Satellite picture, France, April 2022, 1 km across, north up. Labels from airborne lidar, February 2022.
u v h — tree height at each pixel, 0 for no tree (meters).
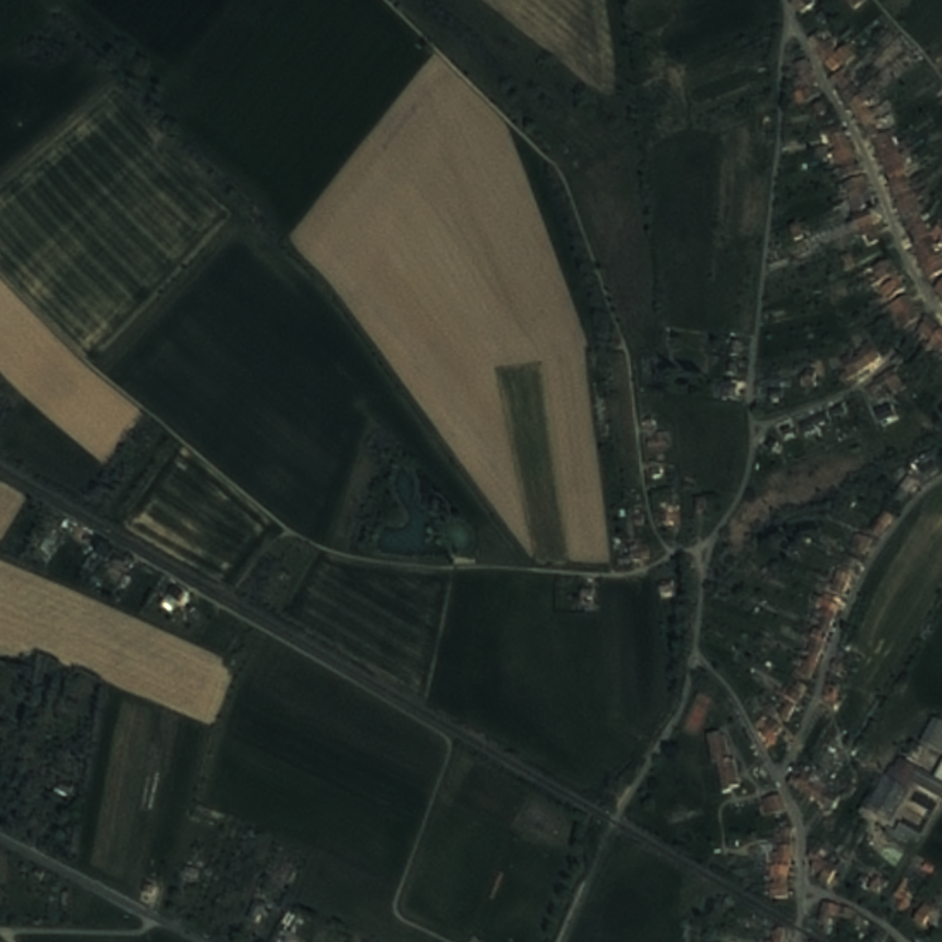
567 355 0
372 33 0
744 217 0
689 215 0
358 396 0
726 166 0
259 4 0
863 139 0
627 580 0
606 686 0
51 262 0
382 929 0
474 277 0
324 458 0
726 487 0
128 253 0
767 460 0
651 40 0
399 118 0
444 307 0
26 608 0
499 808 0
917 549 0
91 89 0
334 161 0
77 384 0
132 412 0
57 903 6
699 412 0
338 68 0
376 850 0
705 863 7
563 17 0
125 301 0
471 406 0
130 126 0
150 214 0
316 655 0
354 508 0
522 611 0
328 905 0
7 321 0
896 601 0
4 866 0
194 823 0
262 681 0
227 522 0
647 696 0
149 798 0
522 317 0
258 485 0
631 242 0
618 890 0
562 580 11
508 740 0
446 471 0
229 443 0
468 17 0
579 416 0
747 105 6
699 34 0
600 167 0
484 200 0
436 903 0
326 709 0
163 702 0
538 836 0
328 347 0
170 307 0
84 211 0
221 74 0
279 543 0
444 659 0
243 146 0
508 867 0
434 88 0
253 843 12
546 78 0
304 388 0
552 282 0
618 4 0
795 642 0
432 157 0
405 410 0
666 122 0
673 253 0
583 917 0
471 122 0
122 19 0
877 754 0
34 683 12
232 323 0
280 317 0
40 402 0
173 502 0
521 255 0
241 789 0
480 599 0
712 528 0
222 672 0
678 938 0
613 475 0
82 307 0
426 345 0
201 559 0
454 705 0
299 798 0
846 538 0
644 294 0
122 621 0
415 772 0
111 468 12
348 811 0
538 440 0
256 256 0
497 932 0
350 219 0
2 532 0
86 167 0
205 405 0
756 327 0
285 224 0
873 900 0
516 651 0
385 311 0
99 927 0
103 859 0
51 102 0
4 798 14
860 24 0
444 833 0
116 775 0
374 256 0
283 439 0
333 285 0
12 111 0
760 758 0
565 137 0
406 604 0
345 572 0
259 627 0
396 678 0
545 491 0
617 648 0
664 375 17
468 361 0
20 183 0
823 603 0
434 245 0
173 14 0
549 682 0
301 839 0
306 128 0
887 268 0
